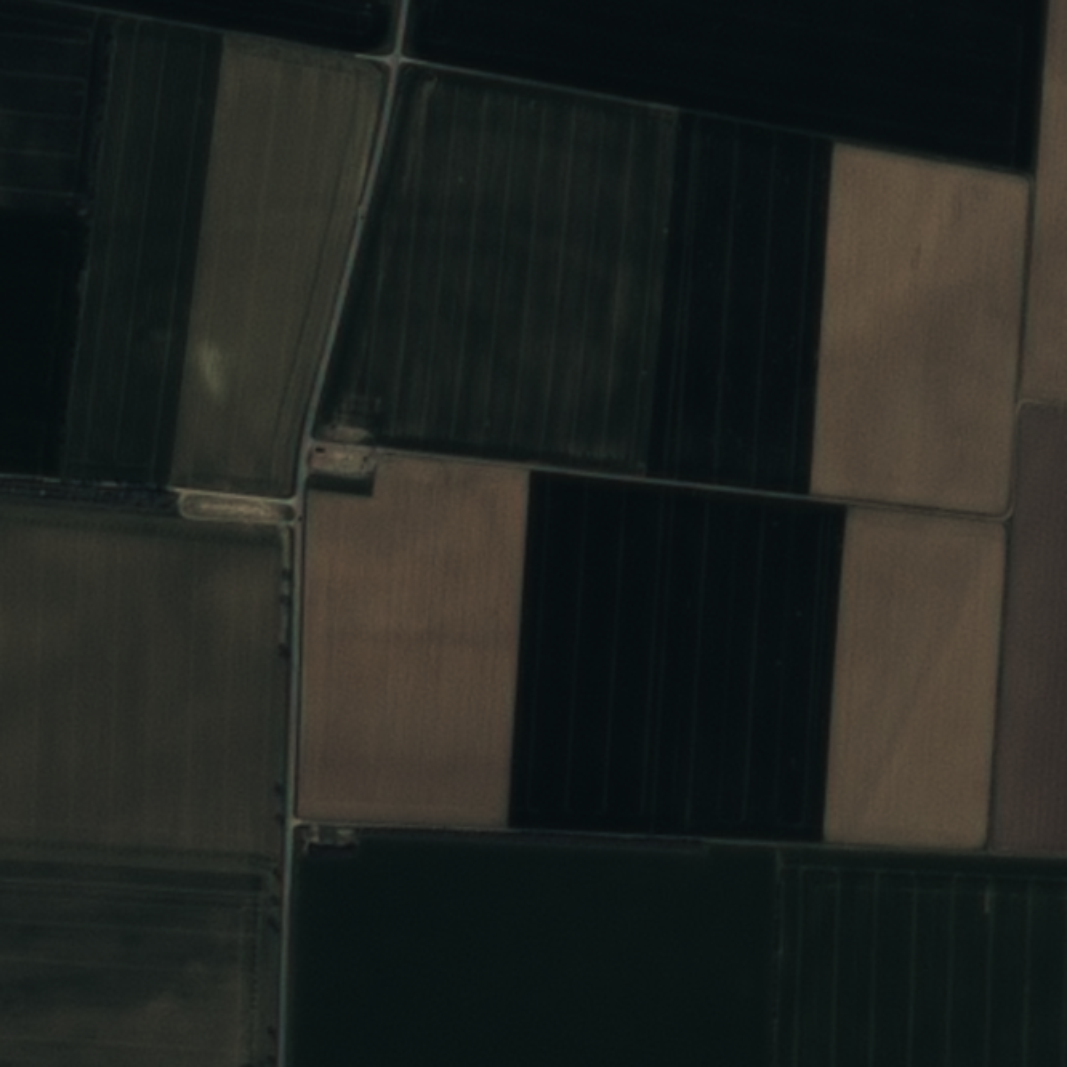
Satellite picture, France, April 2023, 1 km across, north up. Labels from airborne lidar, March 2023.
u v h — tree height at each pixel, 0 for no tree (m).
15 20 0
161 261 0
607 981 0
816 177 0
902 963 0
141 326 0
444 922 0
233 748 0
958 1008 0
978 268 0
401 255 0
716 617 0
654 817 0
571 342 0
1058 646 0
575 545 0
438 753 0
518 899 0
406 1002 0
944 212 0
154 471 0
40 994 0
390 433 0
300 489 0
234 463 0
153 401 0
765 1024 0
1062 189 0
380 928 0
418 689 0
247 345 0
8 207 0
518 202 0
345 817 0
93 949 0
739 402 0
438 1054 0
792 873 0
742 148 0
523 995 0
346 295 0
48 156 0
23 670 0
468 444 0
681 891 0
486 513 0
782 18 0
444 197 0
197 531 0
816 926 0
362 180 0
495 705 0
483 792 0
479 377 0
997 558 0
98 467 0
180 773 0
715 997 0
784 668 0
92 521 0
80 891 0
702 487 0
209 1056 0
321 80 0
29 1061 0
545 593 0
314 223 0
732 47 0
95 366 0
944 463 0
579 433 0
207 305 0
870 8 0
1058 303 0
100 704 0
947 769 0
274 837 0
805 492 0
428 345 0
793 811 0
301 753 0
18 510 0
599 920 0
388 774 0
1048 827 0
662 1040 0
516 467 0
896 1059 0
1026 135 0
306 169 0
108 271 0
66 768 0
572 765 0
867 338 0
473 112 0
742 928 0
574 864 0
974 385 0
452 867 0
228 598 0
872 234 0
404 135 0
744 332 0
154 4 0
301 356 0
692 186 0
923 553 0
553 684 0
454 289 0
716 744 0
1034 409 0
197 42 0
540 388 0
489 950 0
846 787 0
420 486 0
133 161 0
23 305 0
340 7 0
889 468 0
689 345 0
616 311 0
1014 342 0
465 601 0
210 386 0
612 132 0
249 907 0
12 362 0
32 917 0
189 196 0
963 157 0
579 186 0
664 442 0
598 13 0
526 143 0
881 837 0
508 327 0
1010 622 0
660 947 0
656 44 0
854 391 0
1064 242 0
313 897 0
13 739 0
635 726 0
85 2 0
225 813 0
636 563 0
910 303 0
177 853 0
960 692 0
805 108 0
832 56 0
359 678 0
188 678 0
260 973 0
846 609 0
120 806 0
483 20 0
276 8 0
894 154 0
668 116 0
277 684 0
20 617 0
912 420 0
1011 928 0
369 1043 0
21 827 0
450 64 0
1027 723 0
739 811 0
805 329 0
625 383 0
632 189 0
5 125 0
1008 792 0
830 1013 0
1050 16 0
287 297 0
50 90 0
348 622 0
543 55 0
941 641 0
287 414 0
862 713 0
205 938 0
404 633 0
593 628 0
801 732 0
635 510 0
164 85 0
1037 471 0
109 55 7
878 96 0
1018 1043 0
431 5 0
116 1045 0
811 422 0
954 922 0
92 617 0
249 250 0
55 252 0
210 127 0
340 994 0
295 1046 0
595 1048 0
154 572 0
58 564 0
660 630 0
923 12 0
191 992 0
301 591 0
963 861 0
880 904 0
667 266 0
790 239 0
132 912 0
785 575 0
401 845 0
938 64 0
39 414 0
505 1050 0
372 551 0
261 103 0
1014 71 0
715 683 0
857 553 0
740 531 0
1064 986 0
